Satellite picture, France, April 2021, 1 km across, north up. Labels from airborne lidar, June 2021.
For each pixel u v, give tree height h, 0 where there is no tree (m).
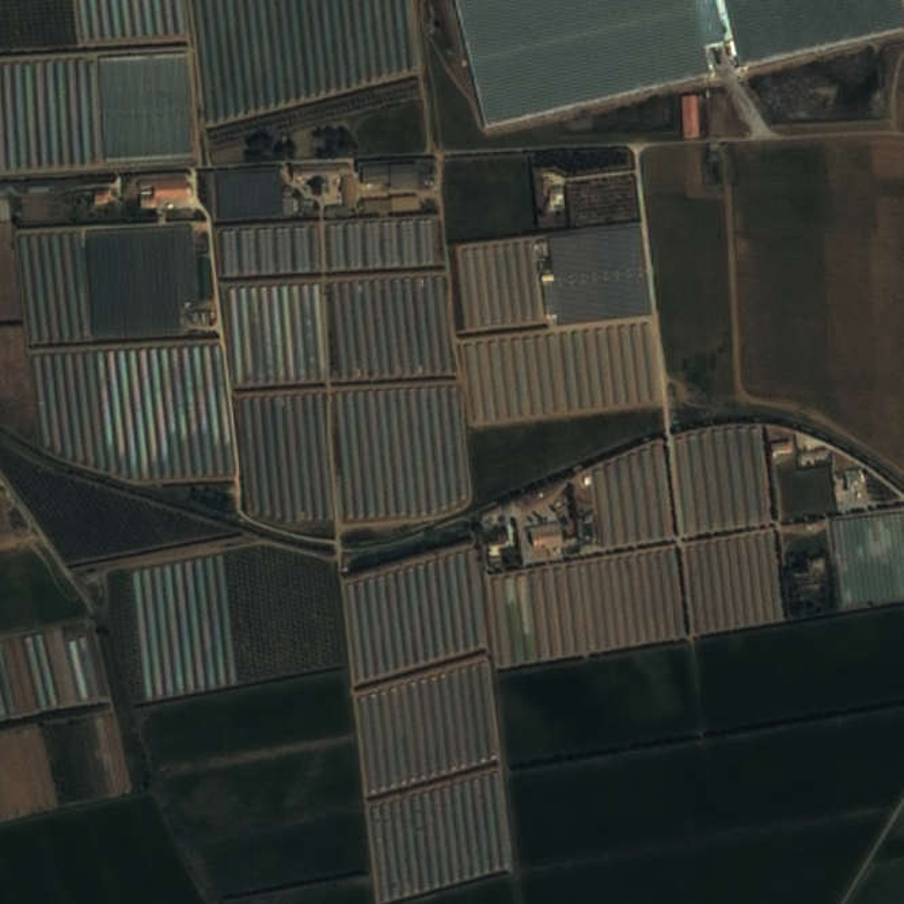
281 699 0
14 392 0
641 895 0
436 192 0
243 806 0
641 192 0
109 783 0
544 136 0
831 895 0
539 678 0
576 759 10
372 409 0
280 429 0
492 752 0
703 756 0
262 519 0
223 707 0
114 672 0
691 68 0
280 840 0
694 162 0
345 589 0
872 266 0
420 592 0
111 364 0
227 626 0
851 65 0
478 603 0
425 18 0
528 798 0
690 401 0
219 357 0
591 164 8
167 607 0
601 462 7
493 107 0
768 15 0
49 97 0
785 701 0
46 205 0
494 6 0
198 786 0
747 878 0
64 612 0
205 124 0
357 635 0
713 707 0
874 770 0
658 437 9
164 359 0
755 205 0
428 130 0
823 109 0
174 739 0
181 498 0
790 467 0
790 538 0
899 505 6
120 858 0
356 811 0
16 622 0
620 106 0
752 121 0
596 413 0
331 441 0
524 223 0
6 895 0
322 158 8
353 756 0
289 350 0
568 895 0
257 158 11
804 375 0
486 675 0
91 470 0
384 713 0
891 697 0
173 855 0
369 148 0
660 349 0
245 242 0
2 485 0
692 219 0
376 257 0
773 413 0
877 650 0
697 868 0
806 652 0
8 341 0
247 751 0
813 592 8
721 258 0
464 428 0
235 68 0
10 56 7
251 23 0
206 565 0
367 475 0
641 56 0
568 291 0
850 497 0
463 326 0
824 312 0
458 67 0
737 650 0
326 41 0
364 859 0
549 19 0
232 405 0
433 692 0
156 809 0
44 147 0
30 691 0
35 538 0
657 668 0
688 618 8
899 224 0
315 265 0
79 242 0
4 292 0
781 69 0
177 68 0
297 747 0
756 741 0
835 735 0
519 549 6
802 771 0
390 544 0
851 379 0
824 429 0
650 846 0
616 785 0
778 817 0
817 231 0
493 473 0
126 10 0
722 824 0
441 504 0
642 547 7
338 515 0
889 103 0
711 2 0
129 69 0
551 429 0
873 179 0
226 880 0
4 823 0
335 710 0
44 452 0
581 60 0
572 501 8
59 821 0
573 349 0
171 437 0
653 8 0
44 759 0
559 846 0
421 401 0
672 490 6
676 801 0
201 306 0
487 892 0
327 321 0
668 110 0
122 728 0
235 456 0
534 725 0
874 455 0
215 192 0
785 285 0
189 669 0
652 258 0
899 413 0
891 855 0
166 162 0
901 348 0
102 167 0
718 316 0
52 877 0
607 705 0
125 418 0
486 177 0
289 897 0
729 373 0
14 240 0
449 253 0
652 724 0
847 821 0
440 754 0
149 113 0
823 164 0
